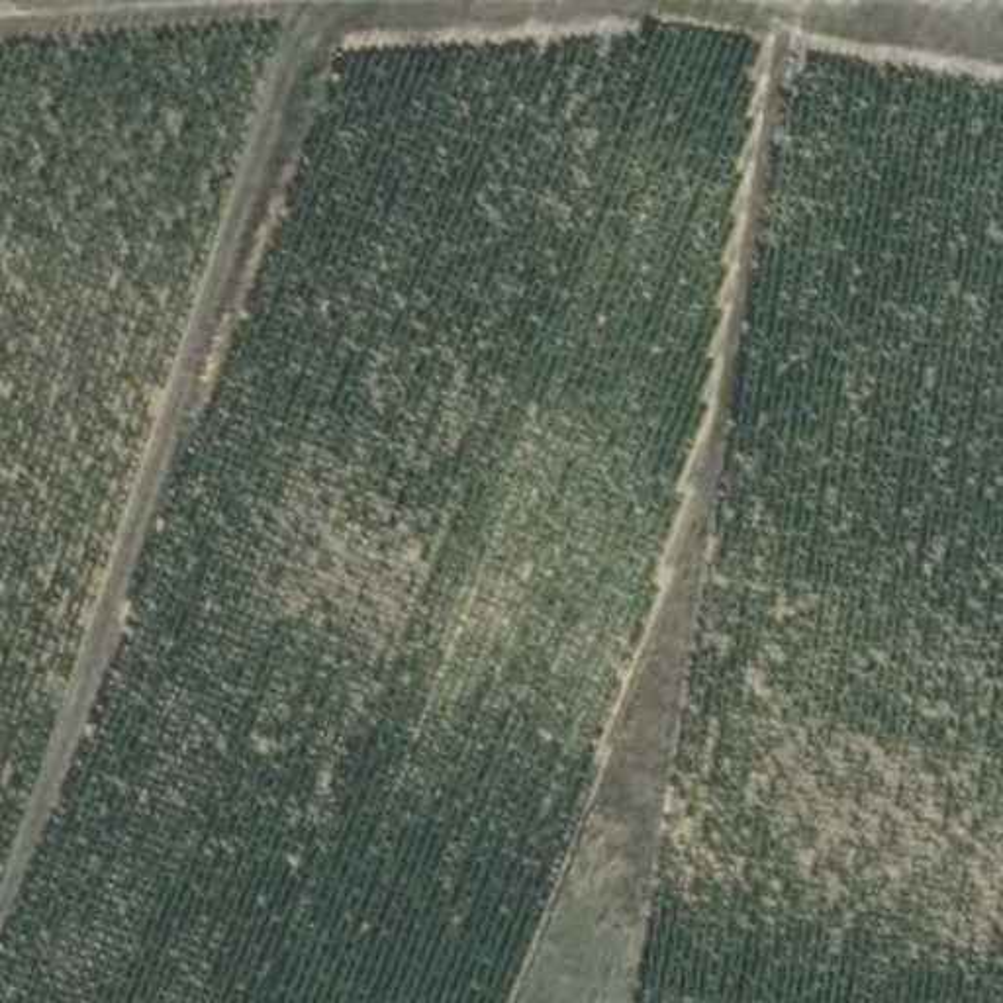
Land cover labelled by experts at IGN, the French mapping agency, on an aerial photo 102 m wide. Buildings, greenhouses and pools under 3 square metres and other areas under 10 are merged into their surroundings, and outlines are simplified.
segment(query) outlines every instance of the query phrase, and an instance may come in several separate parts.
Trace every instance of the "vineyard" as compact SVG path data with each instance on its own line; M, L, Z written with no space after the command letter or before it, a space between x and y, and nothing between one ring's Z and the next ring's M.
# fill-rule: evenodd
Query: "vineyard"
M803 24L788 24L788 39L776 39L768 35L768 20L756 12L752 0L0 0L0 1003L1003 1003L1003 63L897 43L858 43L807 31Z

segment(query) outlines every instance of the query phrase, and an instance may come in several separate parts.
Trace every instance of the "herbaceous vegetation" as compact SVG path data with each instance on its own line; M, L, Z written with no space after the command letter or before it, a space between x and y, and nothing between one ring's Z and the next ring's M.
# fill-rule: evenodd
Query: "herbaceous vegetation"
M776 39L788 39L788 24L803 24L807 31L858 43L897 43L1003 63L1003 0L752 0L756 12L768 20L768 35Z

